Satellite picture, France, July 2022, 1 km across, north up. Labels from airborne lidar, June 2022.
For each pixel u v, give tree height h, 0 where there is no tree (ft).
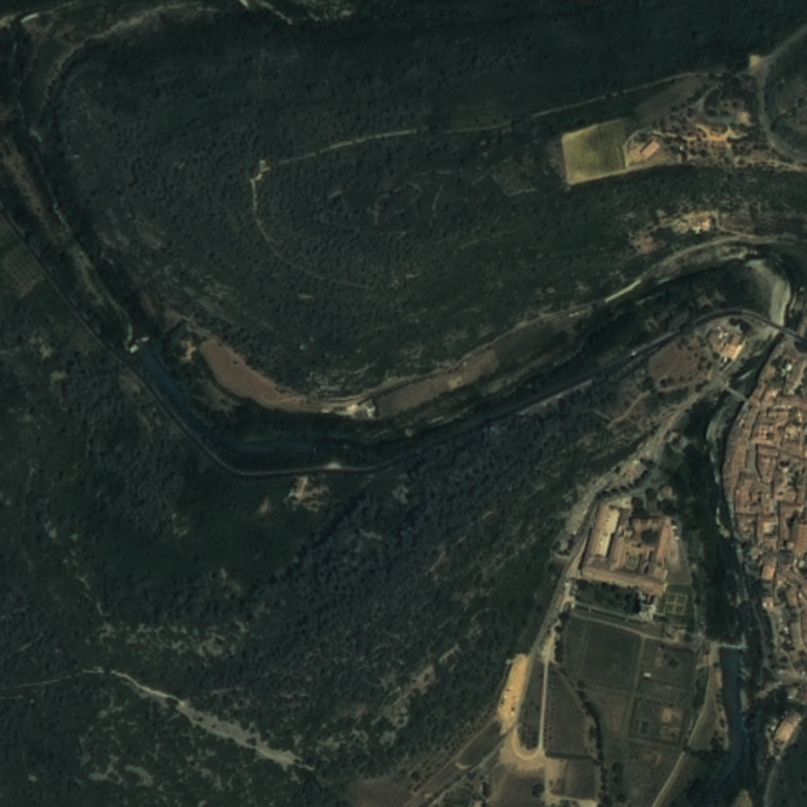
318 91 53
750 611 26
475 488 26
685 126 25
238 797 0
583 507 0
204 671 30
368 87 44
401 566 48
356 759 35
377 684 27
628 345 25
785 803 42
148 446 32
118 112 42
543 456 48
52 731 23
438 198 0
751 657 51
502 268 41
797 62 20
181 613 56
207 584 41
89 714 0
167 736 30
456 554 31
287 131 32
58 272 30
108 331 35
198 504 19
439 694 46
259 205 25
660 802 0
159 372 0
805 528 0
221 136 31
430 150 31
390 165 39
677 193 26
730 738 0
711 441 0
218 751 0
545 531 18
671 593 0
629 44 19
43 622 33
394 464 27
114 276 72
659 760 0
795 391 20
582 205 26
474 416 20
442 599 49
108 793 0
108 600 33
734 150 18
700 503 23
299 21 29
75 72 34
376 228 31
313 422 26
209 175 27
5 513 38
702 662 0
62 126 53
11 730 38
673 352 0
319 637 23
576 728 0
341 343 37
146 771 0
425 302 19
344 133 27
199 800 0
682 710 0
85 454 43
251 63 46
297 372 41
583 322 22
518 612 48
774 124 26
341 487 18
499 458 39
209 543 24
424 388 0
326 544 40
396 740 23
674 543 0
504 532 43
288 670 31
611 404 22
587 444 0
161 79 34
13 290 22
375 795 0
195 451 41
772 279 0
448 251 35
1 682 40
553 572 40
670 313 28
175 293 0
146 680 34
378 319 24
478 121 29
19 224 74
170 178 29
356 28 54
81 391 33
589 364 29
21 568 26
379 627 20
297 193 31
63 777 30
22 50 23
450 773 0
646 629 0
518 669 0
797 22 25
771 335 0
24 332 20
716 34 25
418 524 55
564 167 0
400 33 20
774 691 29
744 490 0
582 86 19
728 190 39
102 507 23
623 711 0
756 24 21
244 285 24
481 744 0
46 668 22
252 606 34
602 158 0
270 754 0
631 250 28
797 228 17
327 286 21
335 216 32
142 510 63
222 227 26
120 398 41
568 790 0
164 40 25
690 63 30
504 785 0
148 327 36
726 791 38
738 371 0
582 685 27
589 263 26
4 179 35
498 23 20
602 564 0
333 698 31
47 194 24
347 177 22
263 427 21
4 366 50
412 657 51
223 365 0
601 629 0
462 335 0
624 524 0
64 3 0
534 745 19
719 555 30
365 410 0
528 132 34
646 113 0
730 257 0
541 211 49
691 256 0
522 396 32
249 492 18
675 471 19
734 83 36
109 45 40
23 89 34
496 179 0
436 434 28
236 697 37
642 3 39
